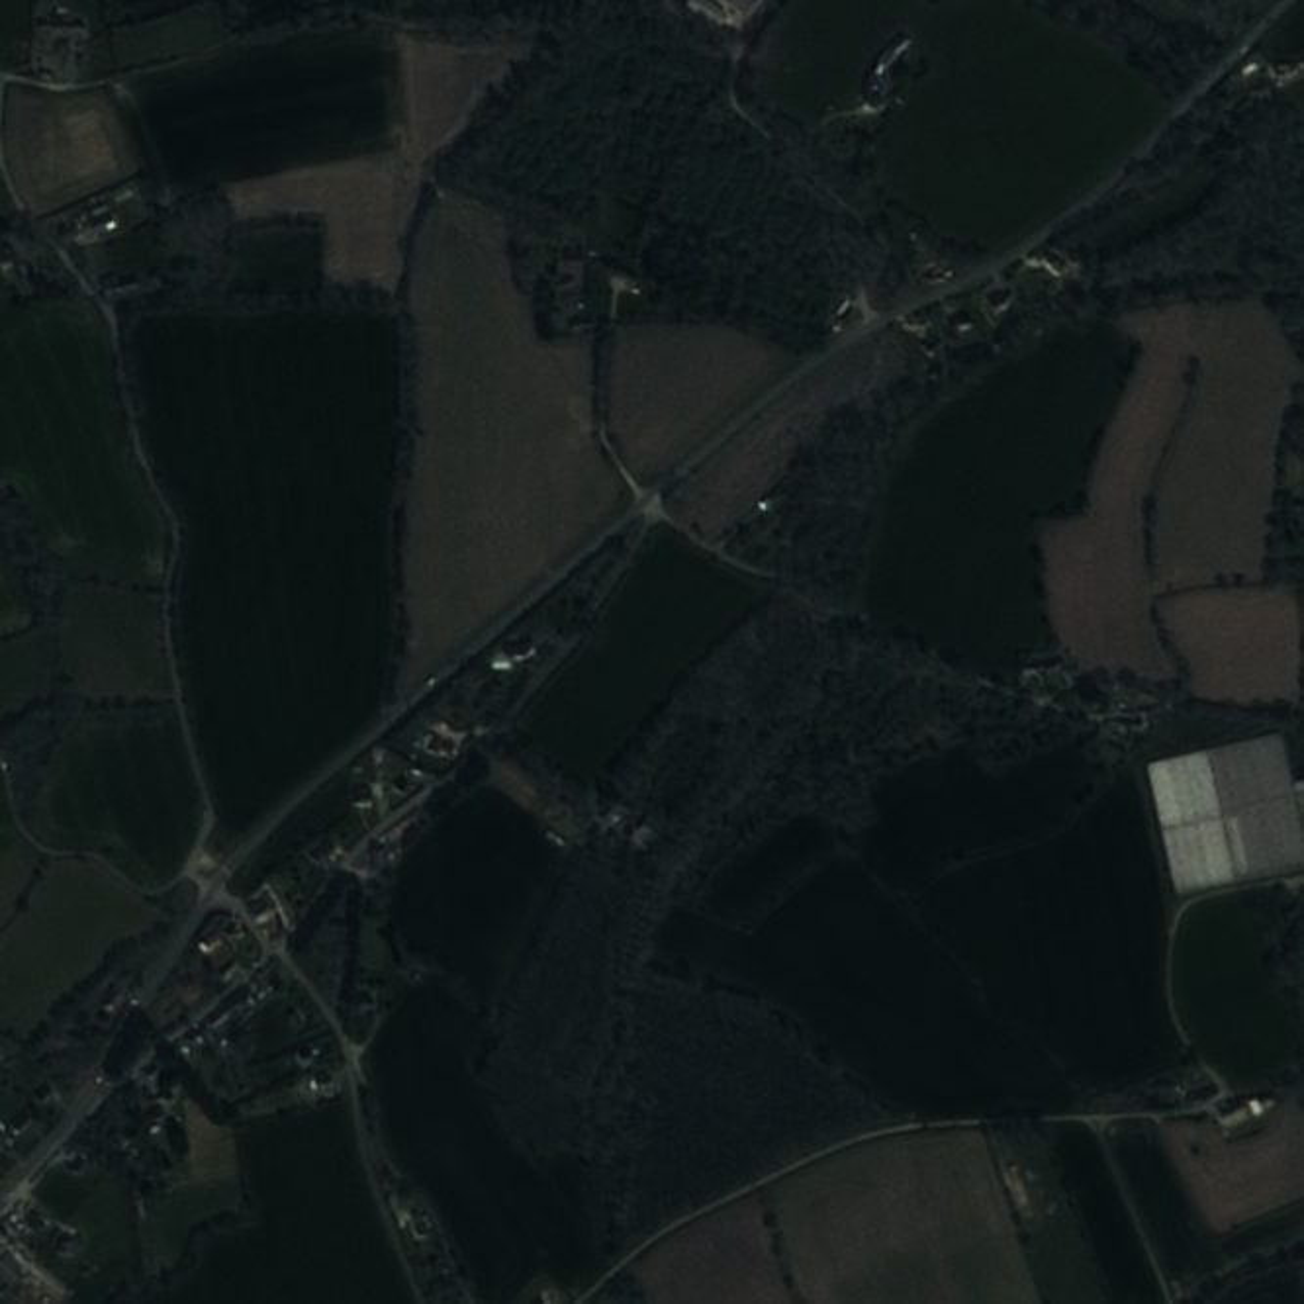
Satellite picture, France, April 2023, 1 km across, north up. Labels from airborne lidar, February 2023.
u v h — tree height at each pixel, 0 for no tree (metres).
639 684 0
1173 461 0
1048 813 0
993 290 0
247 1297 0
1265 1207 0
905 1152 0
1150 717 10
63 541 0
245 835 0
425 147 0
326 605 0
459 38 9
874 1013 0
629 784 20
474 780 10
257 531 0
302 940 13
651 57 8
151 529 0
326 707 0
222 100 0
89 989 9
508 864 0
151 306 13
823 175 15
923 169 0
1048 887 0
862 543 10
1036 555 10
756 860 0
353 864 0
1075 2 24
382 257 0
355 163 0
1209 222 17
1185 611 0
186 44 0
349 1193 0
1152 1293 0
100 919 0
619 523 0
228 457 0
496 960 0
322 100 0
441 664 0
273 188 0
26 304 9
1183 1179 0
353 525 0
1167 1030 0
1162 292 19
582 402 0
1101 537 0
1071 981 0
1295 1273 0
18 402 0
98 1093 0
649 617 0
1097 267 10
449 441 0
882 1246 0
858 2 0
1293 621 0
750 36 11
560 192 8
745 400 0
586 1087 21
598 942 19
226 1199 0
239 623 0
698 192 9
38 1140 0
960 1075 0
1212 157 20
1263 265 13
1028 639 0
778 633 15
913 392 12
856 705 8
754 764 20
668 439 0
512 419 0
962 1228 0
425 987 0
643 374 0
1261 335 0
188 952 6
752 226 10
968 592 0
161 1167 6
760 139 9
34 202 0
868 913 0
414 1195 12
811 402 0
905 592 0
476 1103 0
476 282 0
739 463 0
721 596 0
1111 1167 0
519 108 9
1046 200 0
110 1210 0
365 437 0
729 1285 0
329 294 15
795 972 0
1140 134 0
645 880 25
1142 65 27
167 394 0
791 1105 19
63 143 0
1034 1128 19
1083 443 0
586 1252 0
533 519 0
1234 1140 0
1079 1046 0
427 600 0
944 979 0
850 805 23
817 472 33
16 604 0
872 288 24
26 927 0
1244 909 0
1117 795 0
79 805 0
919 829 0
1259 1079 0
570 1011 19
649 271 16
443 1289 10
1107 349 0
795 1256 0
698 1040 18
